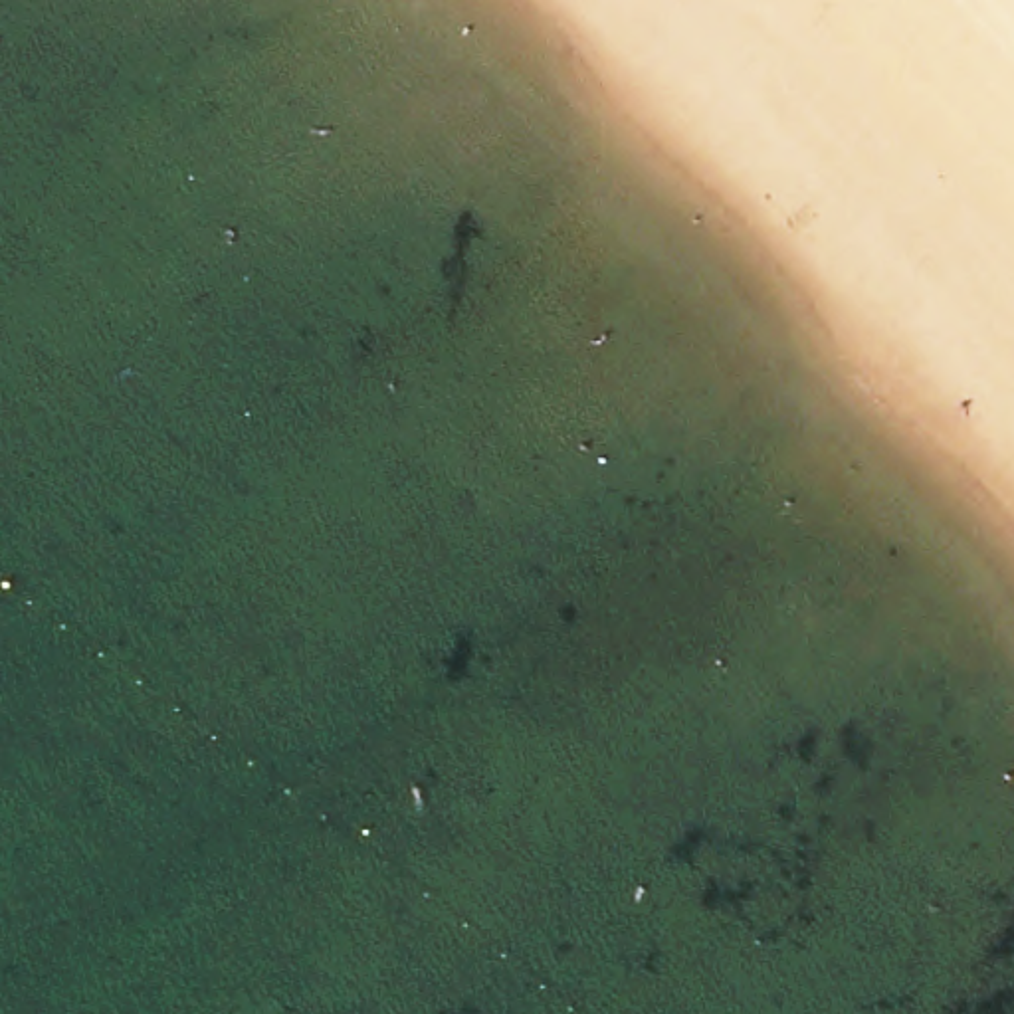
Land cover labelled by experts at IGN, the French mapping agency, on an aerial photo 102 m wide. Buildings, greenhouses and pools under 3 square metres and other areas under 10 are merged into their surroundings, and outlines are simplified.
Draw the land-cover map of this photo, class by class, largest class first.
<instances>
[{"label":"water","instance_id":"1","mask_svg":"<svg viewBox=\"0 0 1014 1014\"><path fill-rule=\"evenodd\" d=\"M808 412L768 380V360H761L753 345L737 333L729 309L705 305L697 297L693 273L658 269L654 254L634 250L630 242H622L614 222H602L586 210V190L570 174V158L555 154L539 131L523 127L515 103L499 87V75L479 67V48L459 40L456 16L436 0H0V1014H1014V661L994 642L990 622L970 618L966 598H959L911 551L875 535V527L863 519L856 503L840 499V491L804 487L796 471H788V428L800 424Z\"/></svg>","mask_w":1014,"mask_h":1014},{"label":"bare soil","instance_id":"2","mask_svg":"<svg viewBox=\"0 0 1014 1014\"><path fill-rule=\"evenodd\" d=\"M456 16L459 40L479 48V67L499 75V87L515 103L523 127L539 131L555 154L570 158V174L586 190V210L602 222H614L622 242H630L634 250L654 254L658 269L693 273L697 297L705 305L729 309L737 333L753 345L761 360H768V380L808 412L800 424L788 428V471H796L804 487L840 491V499L856 503L863 519L875 527V535L911 551L959 598H966L970 618L990 622L994 642L1014 661V0H436Z\"/></svg>","mask_w":1014,"mask_h":1014}]
</instances>
